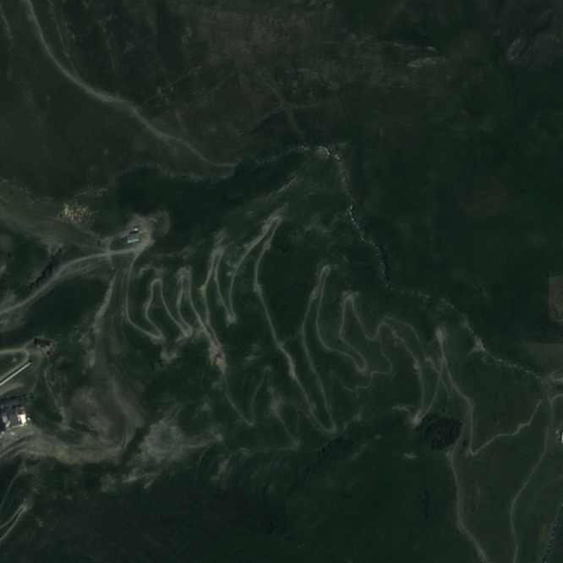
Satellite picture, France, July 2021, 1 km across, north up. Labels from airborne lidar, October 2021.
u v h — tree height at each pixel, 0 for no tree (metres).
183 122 0
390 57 0
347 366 0
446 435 8
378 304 0
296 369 0
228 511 0
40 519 0
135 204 0
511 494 0
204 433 0
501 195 0
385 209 0
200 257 0
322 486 0
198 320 0
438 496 0
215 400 0
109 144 0
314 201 0
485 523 0
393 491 0
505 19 0
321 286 0
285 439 0
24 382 0
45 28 0
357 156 0
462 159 0
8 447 0
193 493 0
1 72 0
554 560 0
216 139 0
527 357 0
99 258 0
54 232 0
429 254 0
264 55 0
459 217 0
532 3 0
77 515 0
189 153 0
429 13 0
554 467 0
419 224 0
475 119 0
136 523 0
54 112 0
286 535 0
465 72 0
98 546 0
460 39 0
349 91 0
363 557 0
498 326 0
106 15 0
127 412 0
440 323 0
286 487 0
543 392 0
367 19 0
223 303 0
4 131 0
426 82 0
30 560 0
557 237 0
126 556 0
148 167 0
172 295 0
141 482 0
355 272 0
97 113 0
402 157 0
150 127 0
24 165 0
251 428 0
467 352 0
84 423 0
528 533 0
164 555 0
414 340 0
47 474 0
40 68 0
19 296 0
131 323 0
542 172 0
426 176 0
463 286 0
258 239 0
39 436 0
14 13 0
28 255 0
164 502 0
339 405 0
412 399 0
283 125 0
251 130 0
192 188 0
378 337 0
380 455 0
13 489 0
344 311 0
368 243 0
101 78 0
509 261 0
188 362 0
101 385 0
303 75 0
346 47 0
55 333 0
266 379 0
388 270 0
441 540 0
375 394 0
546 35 0
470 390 0
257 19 0
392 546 0
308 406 0
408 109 0
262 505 0
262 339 0
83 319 0
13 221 0
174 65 0
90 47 0
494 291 0
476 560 0
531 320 0
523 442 0
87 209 0
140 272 0
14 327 0
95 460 0
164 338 0
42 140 0
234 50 0
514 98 0
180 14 0
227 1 0
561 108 0
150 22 0
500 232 0
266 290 0
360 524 0
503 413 0
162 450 0
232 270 0
